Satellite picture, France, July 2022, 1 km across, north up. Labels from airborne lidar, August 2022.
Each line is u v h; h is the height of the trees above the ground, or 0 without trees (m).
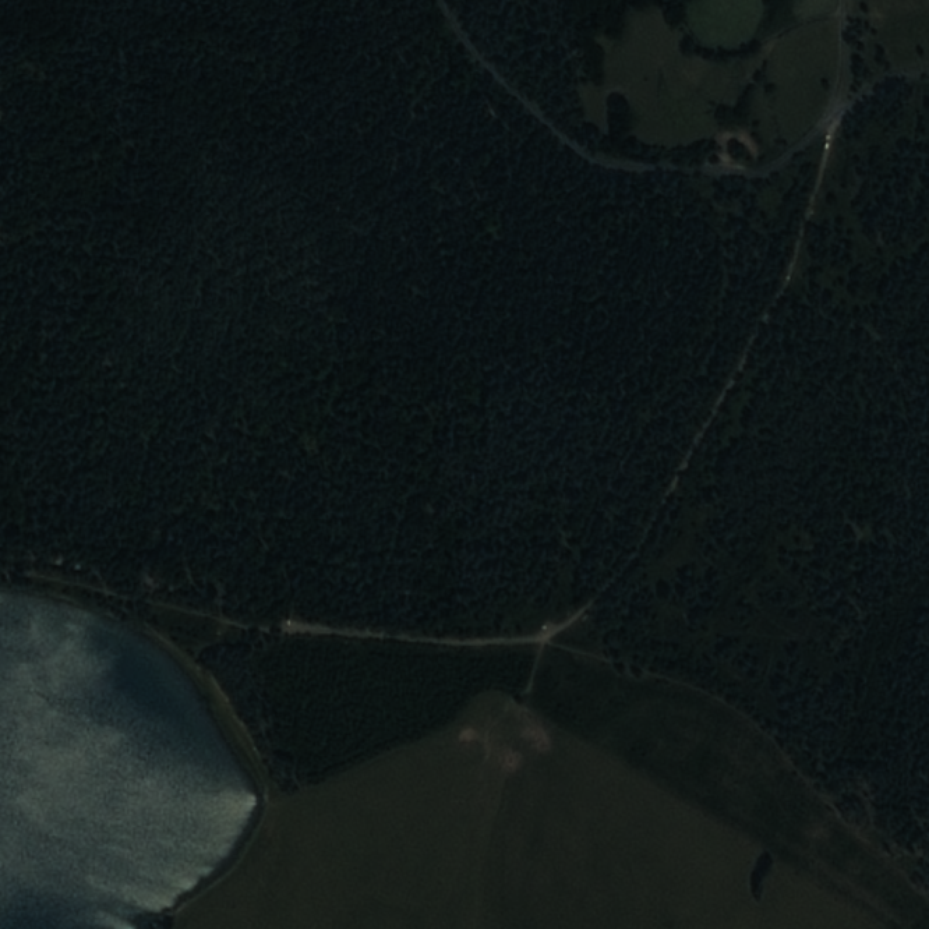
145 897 0
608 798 0
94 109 9
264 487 9
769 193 0
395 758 0
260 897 0
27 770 0
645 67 0
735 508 18
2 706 0
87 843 0
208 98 15
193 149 19
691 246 14
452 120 19
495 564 26
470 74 11
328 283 17
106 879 0
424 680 8
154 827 0
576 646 0
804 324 19
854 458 20
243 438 17
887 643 6
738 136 0
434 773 0
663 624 0
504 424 24
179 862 0
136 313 16
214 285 16
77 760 0
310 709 7
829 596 19
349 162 19
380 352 20
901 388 21
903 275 10
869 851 0
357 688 6
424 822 0
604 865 0
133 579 14
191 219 18
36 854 0
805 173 10
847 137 13
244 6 19
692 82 0
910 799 15
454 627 7
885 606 7
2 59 10
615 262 13
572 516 18
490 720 0
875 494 19
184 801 0
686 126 0
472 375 9
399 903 0
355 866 0
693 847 0
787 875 0
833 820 0
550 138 21
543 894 0
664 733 0
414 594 12
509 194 14
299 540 16
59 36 16
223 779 0
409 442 21
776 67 0
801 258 0
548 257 24
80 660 0
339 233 18
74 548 14
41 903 0
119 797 0
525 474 24
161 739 0
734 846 0
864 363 11
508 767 0
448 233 16
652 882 0
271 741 16
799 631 0
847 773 16
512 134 10
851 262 13
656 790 0
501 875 0
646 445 15
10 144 15
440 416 8
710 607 13
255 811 0
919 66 0
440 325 22
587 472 28
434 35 15
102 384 12
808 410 20
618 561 11
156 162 14
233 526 9
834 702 15
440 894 0
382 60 19
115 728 0
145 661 0
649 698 0
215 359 13
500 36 29
